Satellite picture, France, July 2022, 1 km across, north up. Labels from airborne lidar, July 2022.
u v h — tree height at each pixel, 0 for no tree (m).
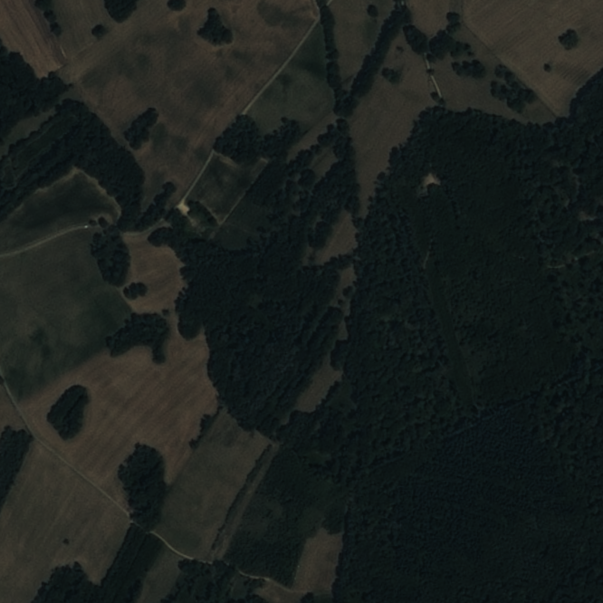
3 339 0
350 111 19
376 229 11
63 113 23
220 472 0
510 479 19
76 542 0
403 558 16
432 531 22
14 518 0
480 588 18
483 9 0
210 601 17
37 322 0
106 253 23
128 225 20
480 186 10
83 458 0
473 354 9
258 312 21
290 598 0
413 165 17
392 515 12
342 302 13
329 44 13
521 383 9
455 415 18
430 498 21
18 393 0
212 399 0
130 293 16
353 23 0
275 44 0
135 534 9
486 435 21
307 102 0
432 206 13
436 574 17
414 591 14
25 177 9
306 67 0
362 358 17
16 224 0
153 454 20
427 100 0
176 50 0
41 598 11
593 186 22
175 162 0
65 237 0
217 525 0
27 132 0
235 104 0
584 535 13
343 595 26
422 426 17
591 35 0
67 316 0
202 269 21
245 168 0
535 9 0
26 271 0
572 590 21
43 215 0
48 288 0
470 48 17
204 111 0
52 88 20
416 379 20
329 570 0
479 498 18
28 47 0
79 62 0
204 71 0
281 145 16
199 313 18
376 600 18
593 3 0
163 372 0
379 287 19
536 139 21
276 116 0
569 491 21
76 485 0
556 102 0
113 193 14
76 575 16
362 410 22
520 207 8
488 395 8
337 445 18
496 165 9
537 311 8
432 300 21
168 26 0
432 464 20
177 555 0
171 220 15
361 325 22
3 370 0
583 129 29
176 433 0
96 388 0
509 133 19
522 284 7
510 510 16
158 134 0
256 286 22
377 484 11
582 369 23
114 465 0
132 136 14
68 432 19
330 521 6
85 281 0
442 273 13
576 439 19
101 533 0
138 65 0
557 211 23
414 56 0
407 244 15
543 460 20
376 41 0
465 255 13
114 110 0
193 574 17
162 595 0
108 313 0
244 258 20
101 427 0
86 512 0
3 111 21
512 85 18
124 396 0
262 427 16
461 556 15
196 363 0
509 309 7
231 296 21
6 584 0
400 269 18
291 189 17
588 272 22
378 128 0
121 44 0
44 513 0
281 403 10
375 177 0
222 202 0
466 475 25
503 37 0
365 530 22
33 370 0
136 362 0
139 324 15
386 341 21
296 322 21
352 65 0
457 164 12
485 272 9
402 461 14
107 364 0
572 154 26
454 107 0
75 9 0
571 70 0
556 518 15
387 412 17
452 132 13
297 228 17
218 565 15
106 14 0
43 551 0
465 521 18
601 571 22
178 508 0
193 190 0
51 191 0
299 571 0
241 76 0
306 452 21
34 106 13
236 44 0
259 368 24
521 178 15
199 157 0
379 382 20
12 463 9
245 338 30
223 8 0
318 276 20
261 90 0
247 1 0
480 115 15
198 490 0
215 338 22
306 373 16
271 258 23
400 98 0
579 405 22
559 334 7
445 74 0
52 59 0
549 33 0
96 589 10
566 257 24
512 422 23
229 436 0
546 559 18
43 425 0
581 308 24
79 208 0
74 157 20
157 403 0
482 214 10
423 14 0
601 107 26
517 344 7
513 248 7
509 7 0
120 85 0
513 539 14
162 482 13
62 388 0
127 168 24
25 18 0
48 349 0
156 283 0
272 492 7
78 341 0
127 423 0
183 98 0
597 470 20
